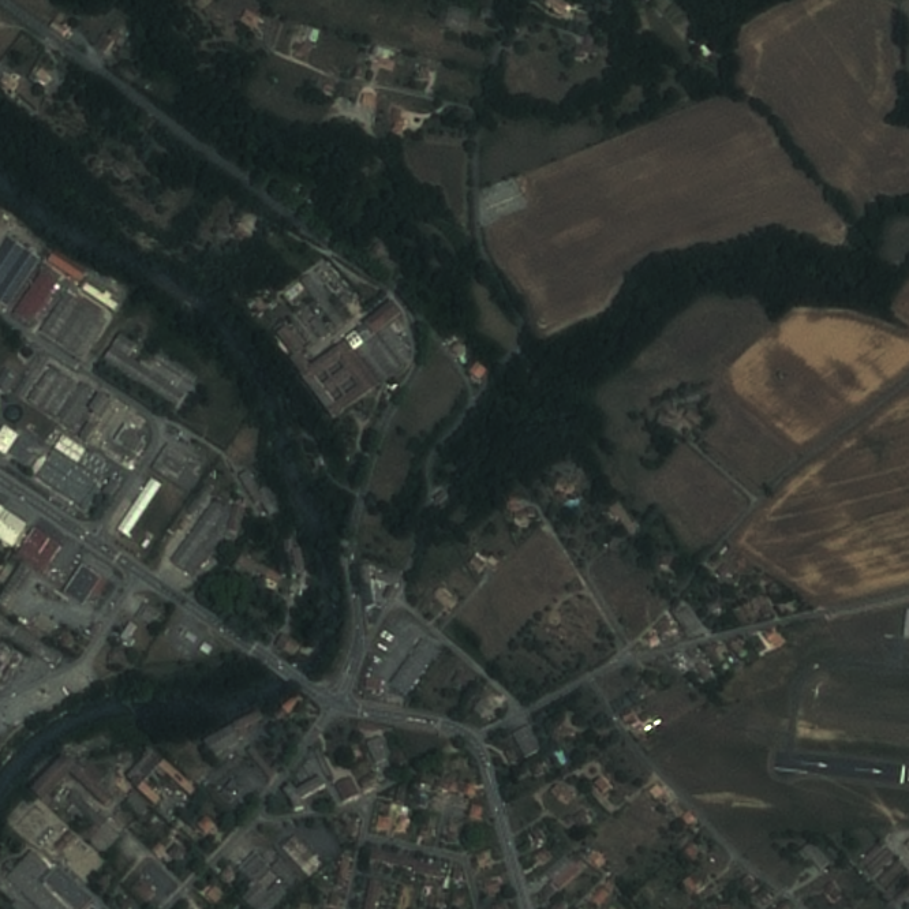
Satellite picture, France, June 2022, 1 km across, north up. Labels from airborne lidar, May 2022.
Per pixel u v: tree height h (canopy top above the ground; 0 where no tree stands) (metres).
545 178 0
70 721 0
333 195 21
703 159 0
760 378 0
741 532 0
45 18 0
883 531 0
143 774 0
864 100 0
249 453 0
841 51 0
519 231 0
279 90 0
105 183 9
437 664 0
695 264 18
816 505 0
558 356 22
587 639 0
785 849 8
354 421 6
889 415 0
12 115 19
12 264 0
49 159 12
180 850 0
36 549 0
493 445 25
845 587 0
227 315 13
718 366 0
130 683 17
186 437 0
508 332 0
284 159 22
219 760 11
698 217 0
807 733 0
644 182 0
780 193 0
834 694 0
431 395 0
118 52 5
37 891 0
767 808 0
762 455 0
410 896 0
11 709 0
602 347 19
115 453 0
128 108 15
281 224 12
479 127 13
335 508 29
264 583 17
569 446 17
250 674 16
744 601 7
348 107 0
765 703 0
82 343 0
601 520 9
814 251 20
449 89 0
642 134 0
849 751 0
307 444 15
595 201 0
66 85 10
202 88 16
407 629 0
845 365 0
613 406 0
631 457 0
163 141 17
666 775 0
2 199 14
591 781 12
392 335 0
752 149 0
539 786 0
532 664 0
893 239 0
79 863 0
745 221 0
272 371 32
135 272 26
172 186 10
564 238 0
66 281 0
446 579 0
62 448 0
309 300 6
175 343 0
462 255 13
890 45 0
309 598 14
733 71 17
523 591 0
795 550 0
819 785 0
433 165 0
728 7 17
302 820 6
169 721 34
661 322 10
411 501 7
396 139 12
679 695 0
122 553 0
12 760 0
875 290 14
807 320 0
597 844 0
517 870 0
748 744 0
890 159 0
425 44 0
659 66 13
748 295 11
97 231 20
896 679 0
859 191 0
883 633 0
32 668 0
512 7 14
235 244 13
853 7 0
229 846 0
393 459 0
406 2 0
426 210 9
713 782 0
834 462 0
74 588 0
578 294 0
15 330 7
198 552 0
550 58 0
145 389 7
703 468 0
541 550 0
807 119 0
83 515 0
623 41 20
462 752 21
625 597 0
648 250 0
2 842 13
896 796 0
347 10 0
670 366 0
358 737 14
